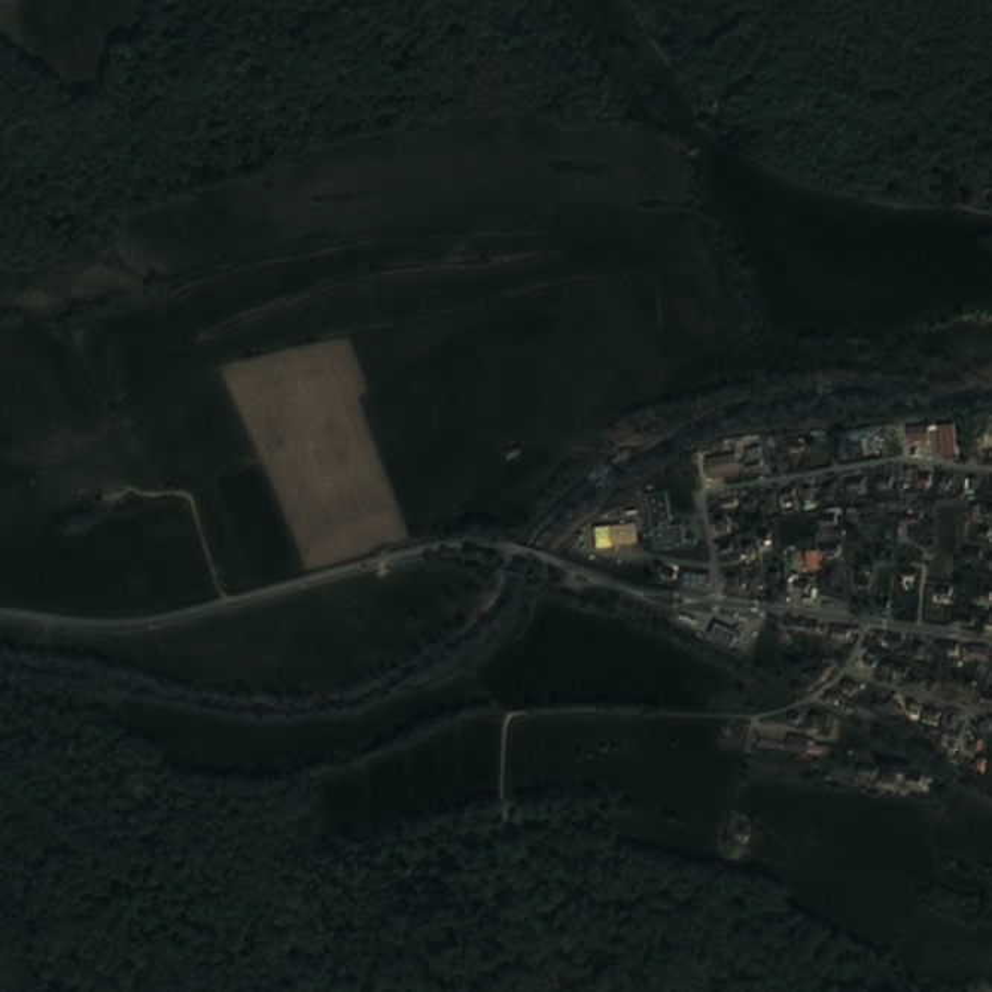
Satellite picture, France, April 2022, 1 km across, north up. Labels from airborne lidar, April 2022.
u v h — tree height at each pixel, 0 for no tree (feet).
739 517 29
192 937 55
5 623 0
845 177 40
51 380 0
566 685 0
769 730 0
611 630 0
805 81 84
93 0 0
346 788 0
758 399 50
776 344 0
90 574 0
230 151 75
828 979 25
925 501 40
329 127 72
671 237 0
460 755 0
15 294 0
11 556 0
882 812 0
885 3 79
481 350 0
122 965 61
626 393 0
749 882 74
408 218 0
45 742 85
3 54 79
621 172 0
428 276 0
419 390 0
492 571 27
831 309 0
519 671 0
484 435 0
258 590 0
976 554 0
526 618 27
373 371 0
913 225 0
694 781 0
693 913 83
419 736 51
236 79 95
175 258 0
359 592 0
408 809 0
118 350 0
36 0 0
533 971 99
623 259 0
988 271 0
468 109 64
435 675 69
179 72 85
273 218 0
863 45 76
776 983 54
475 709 31
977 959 0
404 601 0
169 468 0
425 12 75
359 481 0
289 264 0
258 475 0
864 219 0
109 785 85
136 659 0
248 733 0
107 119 90
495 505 0
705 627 0
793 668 30
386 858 88
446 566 38
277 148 55
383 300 0
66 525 55
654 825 0
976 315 0
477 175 0
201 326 0
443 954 90
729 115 44
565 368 0
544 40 94
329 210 0
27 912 71
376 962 36
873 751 0
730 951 90
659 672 0
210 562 0
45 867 65
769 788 0
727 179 0
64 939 93
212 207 0
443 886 52
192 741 0
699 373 0
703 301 0
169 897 58
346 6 89
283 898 82
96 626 0
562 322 0
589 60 90
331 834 0
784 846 0
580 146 0
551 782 0
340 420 0
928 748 55
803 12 76
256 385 0
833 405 53
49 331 0
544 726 0
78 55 0
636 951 91
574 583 0
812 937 97
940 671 28
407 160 0
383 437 0
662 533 0
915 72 77
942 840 0
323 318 0
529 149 0
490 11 94
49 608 0
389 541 0
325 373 0
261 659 0
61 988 73
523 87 81
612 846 49
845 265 0
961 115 70
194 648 0
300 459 0
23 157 91
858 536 26
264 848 87
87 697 55
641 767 0
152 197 52
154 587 0
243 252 0
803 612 0
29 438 0
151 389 0
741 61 69
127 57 83
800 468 21
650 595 0
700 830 0
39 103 85
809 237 0
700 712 0
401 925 77
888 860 0
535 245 0
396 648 0
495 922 78
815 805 0
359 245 0
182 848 83
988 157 60
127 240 0
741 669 57
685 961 109
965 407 38
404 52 25
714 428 45
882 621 0
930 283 0
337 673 0
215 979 99
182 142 80
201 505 0
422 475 0
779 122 36
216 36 82
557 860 85
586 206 0
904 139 66
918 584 18
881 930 0
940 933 0
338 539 0
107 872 78
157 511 0
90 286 0
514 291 0
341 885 101
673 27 82
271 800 66
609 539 0
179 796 72
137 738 79
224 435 0
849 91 53
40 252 63
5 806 44
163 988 94
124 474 0
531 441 0
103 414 0
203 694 39
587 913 85
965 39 86
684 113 0
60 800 73
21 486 0
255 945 41
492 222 0
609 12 0
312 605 0
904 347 60
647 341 0
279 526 0
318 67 91
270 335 0
